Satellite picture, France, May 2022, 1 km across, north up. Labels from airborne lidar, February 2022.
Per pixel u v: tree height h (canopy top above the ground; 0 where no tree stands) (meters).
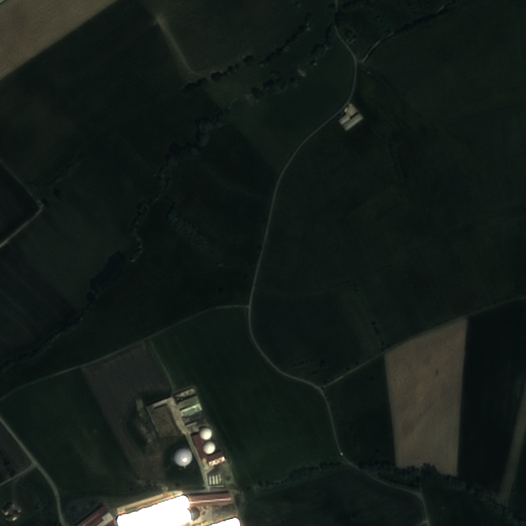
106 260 0
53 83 0
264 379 0
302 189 0
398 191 0
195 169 0
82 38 0
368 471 16
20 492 0
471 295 0
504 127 0
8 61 0
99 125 0
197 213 0
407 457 0
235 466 0
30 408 0
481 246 0
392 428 0
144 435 0
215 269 0
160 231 0
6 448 0
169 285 0
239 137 0
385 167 0
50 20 0
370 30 0
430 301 0
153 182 0
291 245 0
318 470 9
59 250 0
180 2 0
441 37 0
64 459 0
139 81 0
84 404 0
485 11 0
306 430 0
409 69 0
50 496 0
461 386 0
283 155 0
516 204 0
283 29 0
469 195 0
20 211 0
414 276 0
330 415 0
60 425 0
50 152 0
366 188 0
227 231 0
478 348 0
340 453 0
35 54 0
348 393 0
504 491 0
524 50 0
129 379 0
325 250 0
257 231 0
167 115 0
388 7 0
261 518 0
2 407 0
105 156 0
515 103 0
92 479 0
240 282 0
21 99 0
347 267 0
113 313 0
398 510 0
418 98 0
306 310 0
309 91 0
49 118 0
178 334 0
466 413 0
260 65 6
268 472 0
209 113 0
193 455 0
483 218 0
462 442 0
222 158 0
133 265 0
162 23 0
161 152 0
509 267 0
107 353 0
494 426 0
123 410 0
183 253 0
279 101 0
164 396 0
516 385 0
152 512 0
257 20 0
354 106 0
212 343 0
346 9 10
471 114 0
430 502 0
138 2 0
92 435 0
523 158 0
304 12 0
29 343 0
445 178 0
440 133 0
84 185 0
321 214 0
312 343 0
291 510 0
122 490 0
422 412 0
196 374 0
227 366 0
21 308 0
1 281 0
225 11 0
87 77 0
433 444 0
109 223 0
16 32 0
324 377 0
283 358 0
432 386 0
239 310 0
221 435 0
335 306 0
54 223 0
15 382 0
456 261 0
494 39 0
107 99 0
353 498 0
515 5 0
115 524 0
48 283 0
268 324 0
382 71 0
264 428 0
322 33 0
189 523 0
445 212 0
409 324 0
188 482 0
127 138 0
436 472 21
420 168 0
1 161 0
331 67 0
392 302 0
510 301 0
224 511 0
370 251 0
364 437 0
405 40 0
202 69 0
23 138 0
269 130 0
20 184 0
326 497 0
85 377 0
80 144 0
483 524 0
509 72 0
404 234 0
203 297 0
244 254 0
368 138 0
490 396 0
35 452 0
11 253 0
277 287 0
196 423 0
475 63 0
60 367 0
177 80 0
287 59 0
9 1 0
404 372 0
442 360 0
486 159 0
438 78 0
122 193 0
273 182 0
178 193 0
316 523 0
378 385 0
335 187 0
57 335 6
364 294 0
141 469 0
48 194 0
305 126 0
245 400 0
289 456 0
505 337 0
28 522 0
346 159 0
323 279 0
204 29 0
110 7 0
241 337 0
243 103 0
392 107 0
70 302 0
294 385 0
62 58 0
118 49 0
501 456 0
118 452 0
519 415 0
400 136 0
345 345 0
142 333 0
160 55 0
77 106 0
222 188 0
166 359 0
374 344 0
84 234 0
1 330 0
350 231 0
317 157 0
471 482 0
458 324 0
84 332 0
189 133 0
